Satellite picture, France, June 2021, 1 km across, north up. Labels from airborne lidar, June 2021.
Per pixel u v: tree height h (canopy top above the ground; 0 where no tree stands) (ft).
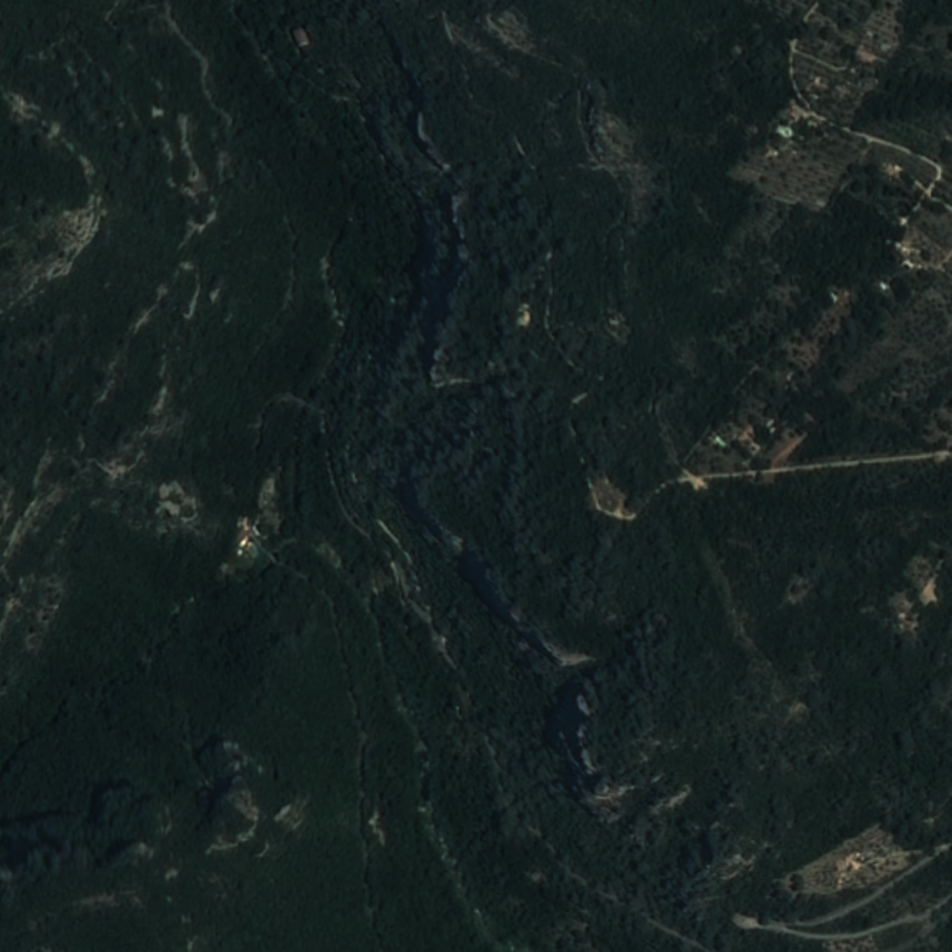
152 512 32
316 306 52
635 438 25
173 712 39
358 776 33
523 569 44
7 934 26
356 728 46
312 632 42
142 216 22
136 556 47
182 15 43
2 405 29
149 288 42
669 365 25
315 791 32
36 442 25
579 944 52
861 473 39
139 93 36
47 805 59
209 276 29
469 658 49
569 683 21
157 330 38
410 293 38
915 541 32
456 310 46
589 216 30
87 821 65
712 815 32
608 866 39
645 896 72
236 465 55
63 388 42
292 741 48
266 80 41
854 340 29
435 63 20
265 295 39
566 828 19
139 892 27
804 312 43
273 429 56
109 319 39
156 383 25
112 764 46
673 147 36
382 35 23
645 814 22
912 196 27
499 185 25
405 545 28
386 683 40
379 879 52
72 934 28
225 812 47
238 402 40
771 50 53
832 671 25
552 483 26
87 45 33
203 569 45
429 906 35
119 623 53
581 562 62
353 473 31
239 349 41
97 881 36
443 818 49
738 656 25
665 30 23
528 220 61
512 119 44
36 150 25
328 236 72
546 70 32
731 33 32
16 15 34
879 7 46
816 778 37
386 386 73
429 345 47
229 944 20
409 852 34
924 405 33
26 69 23
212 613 65
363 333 34
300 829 25
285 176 51
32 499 124
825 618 23
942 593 38
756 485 29
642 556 24
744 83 37
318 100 32
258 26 71
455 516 35
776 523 29
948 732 33
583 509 18
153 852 26
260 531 39
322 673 31
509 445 29
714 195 27
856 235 29
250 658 71
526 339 43
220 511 50
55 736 65
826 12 23
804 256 22
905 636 36
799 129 24
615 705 30
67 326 20
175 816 29
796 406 38
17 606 18
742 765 70
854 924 28
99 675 52
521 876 30
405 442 43
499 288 24
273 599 39
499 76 28
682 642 34
